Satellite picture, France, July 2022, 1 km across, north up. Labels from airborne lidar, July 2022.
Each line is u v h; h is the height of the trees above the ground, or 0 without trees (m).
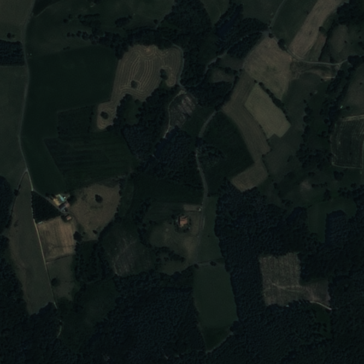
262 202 19
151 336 32
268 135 0
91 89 0
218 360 14
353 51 0
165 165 29
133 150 32
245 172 0
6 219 20
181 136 31
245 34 11
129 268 0
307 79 0
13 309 17
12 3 0
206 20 15
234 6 9
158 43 19
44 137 0
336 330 9
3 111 0
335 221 29
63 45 0
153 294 29
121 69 0
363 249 26
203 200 0
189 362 17
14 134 0
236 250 30
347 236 29
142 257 0
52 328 20
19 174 0
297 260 0
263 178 0
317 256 25
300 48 0
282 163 0
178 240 0
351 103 0
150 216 0
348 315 12
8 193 31
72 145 0
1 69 0
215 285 0
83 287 7
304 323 22
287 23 0
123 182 25
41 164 0
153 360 28
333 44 0
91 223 0
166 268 0
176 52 0
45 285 0
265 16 0
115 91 0
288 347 17
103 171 0
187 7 21
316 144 0
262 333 29
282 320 29
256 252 33
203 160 26
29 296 0
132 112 0
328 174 0
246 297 34
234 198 28
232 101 0
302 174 0
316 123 0
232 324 0
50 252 0
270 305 0
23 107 0
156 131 16
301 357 27
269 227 8
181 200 0
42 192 0
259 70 0
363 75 0
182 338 29
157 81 0
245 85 0
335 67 0
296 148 0
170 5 0
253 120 0
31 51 0
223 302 0
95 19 7
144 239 21
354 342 14
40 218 9
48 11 0
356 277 28
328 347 30
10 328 17
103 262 22
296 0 0
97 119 0
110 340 29
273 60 0
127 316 14
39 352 25
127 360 34
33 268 0
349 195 18
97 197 17
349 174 0
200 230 0
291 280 0
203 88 21
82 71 0
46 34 0
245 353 11
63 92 0
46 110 0
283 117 0
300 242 31
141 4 0
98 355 28
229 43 26
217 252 0
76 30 0
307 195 0
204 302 0
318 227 0
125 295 22
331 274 9
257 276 31
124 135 30
